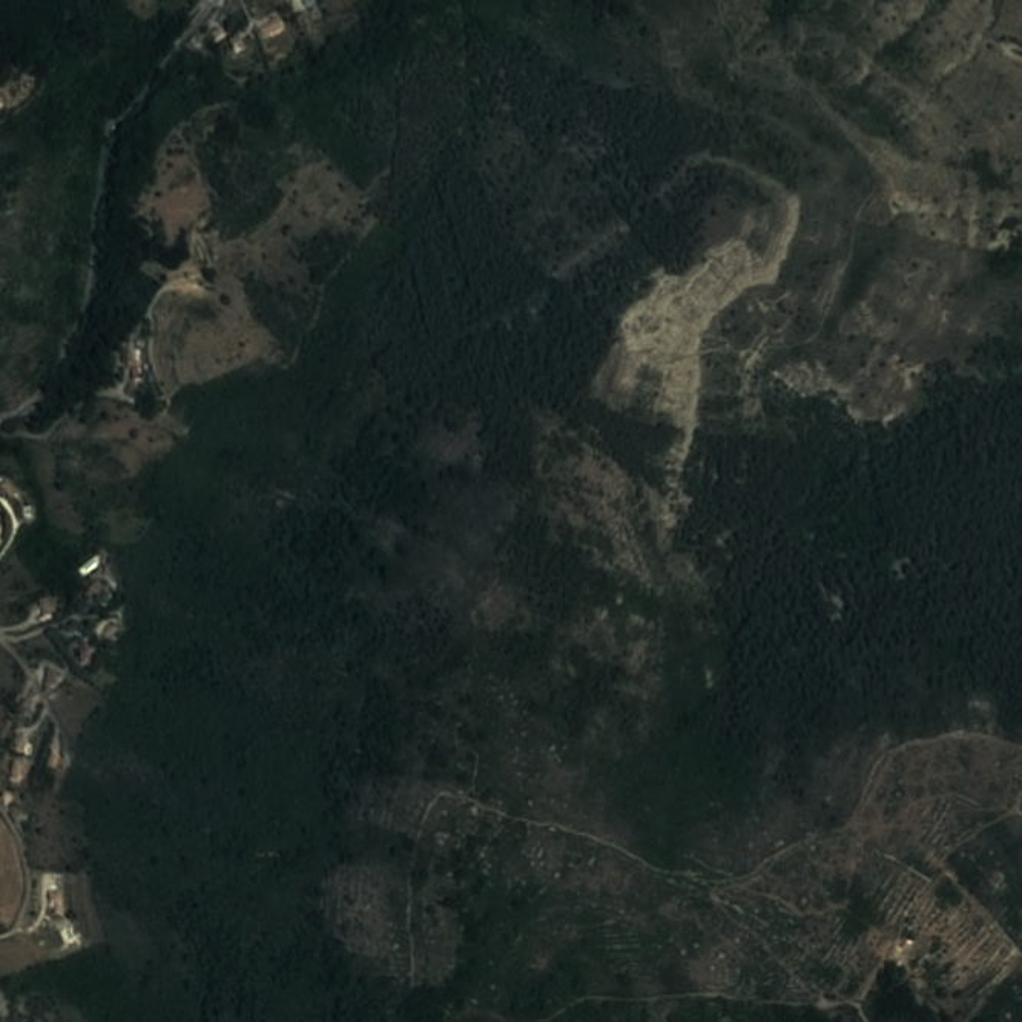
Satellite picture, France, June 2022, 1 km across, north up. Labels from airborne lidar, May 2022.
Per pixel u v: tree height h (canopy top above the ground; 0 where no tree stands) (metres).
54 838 0
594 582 7
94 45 7
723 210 0
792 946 0
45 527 10
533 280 9
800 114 0
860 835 0
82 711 0
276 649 7
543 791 0
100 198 10
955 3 0
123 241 14
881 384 0
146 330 10
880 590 10
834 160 0
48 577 7
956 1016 7
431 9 7
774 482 14
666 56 0
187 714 6
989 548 14
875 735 0
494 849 5
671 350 0
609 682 7
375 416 10
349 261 6
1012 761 0
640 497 11
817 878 0
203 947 8
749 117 6
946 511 13
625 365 0
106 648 10
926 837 0
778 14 9
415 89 12
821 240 0
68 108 9
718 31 0
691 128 7
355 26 6
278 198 6
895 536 13
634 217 6
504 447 9
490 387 10
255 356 0
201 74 11
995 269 6
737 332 7
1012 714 7
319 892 9
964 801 0
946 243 0
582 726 6
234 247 0
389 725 7
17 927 0
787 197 0
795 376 0
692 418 0
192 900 9
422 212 9
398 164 8
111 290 11
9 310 6
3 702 8
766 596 12
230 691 7
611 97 10
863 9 0
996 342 9
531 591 7
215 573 5
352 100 8
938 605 19
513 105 9
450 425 7
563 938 0
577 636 0
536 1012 7
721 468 14
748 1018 6
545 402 12
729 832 0
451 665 6
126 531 0
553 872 0
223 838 6
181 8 6
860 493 6
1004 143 0
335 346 6
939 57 0
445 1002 8
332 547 7
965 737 0
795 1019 8
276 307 6
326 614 9
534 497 8
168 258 13
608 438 14
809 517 10
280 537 8
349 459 11
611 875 0
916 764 0
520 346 13
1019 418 13
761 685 8
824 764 0
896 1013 10
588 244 0
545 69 12
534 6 9
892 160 0
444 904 7
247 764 8
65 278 7
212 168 6
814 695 9
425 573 0
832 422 7
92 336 15
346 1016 7
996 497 11
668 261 9
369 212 8
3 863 0
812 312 0
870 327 0
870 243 0
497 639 8
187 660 10
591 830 0
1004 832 0
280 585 8
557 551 9
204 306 0
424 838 0
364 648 7
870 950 0
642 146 11
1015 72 0
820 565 10
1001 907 0
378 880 0
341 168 5
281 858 9
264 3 0
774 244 0
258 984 7
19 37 13
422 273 7
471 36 9
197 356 0
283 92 10
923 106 0
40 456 0
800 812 0
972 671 7
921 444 12
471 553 0
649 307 0
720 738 9
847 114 6
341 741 6
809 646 7
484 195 13
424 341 10
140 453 0
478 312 9
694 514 13
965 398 13
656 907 0
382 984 7
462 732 7
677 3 0
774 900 0
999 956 0
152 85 11
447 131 13
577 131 10
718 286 0
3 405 0
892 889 0
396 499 10
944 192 0
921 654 8
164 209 0
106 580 6
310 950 6
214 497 6
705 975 0
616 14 9
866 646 10
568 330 7
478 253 14
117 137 9
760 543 14
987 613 9
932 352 0
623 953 0
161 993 5
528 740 0
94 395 9
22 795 6
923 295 0
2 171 8
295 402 6
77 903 0
